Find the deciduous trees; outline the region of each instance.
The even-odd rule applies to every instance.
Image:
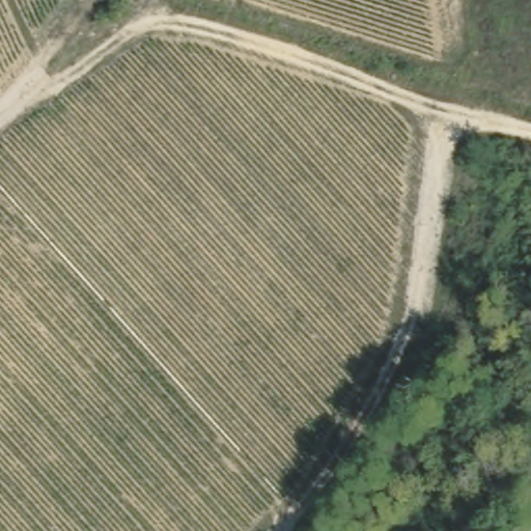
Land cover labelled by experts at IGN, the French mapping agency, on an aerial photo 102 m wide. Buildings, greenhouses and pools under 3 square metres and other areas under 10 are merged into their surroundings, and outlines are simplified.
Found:
[[[531,531],[531,477],[525,475],[523,479],[519,479],[514,473],[496,475],[487,473],[485,469],[479,469],[479,492],[475,496],[467,496],[456,477],[458,471],[465,471],[465,467],[473,463],[473,458],[477,456],[475,444],[483,434],[504,429],[506,425],[531,423],[531,328],[519,332],[516,338],[510,338],[519,346],[519,353],[510,359],[492,361],[483,367],[477,348],[481,344],[490,346],[492,338],[496,336],[492,326],[483,326],[479,319],[479,297],[485,290],[506,286],[506,290],[514,295],[519,309],[531,311],[531,139],[521,139],[504,133],[479,133],[475,129],[465,129],[454,139],[450,166],[452,180],[448,195],[442,201],[444,230],[436,263],[434,303],[429,311],[415,311],[404,322],[404,324],[404,332],[411,334],[411,340],[404,348],[400,363],[409,369],[407,373],[411,380],[400,384],[400,388],[390,396],[386,419],[373,425],[365,425],[363,434],[357,434],[357,450],[361,454],[355,456],[344,469],[334,496],[328,494],[319,500],[317,516],[309,531]]]

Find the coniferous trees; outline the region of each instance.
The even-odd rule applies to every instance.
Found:
[[[492,338],[490,346],[481,344],[477,348],[483,367],[492,361],[510,359],[519,353],[519,346],[510,338],[516,338],[519,332],[531,328],[531,311],[519,309],[514,295],[506,290],[506,286],[485,290],[479,297],[479,319],[483,326],[492,326],[496,336]]]
[[[475,496],[479,492],[479,469],[485,469],[487,473],[496,475],[514,473],[519,479],[523,479],[525,475],[531,477],[531,423],[506,425],[504,429],[483,434],[475,444],[477,456],[473,458],[473,463],[465,467],[465,471],[458,471],[456,477],[467,496]]]

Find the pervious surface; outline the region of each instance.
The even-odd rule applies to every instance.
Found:
[[[427,137],[423,156],[423,178],[415,216],[413,261],[409,270],[407,305],[402,311],[404,322],[415,311],[429,311],[434,303],[436,263],[444,230],[442,201],[448,195],[452,180],[450,166],[454,139],[465,129],[475,129],[479,133],[504,133],[521,139],[531,139],[531,122],[492,110],[477,110],[450,102],[431,100],[415,91],[402,89],[380,77],[332,60],[328,56],[303,50],[295,44],[286,44],[268,35],[251,33],[201,17],[176,15],[164,6],[158,10],[147,10],[145,15],[137,17],[120,29],[116,29],[110,37],[106,37],[100,46],[95,46],[75,64],[56,75],[48,75],[46,66],[50,58],[64,46],[64,41],[58,37],[52,39],[46,41],[46,46],[37,52],[31,52],[29,48],[23,50],[15,62],[6,64],[0,71],[0,120],[4,124],[10,124],[17,116],[37,106],[41,100],[60,93],[71,83],[83,79],[97,62],[102,62],[108,54],[116,52],[129,39],[139,37],[145,31],[166,29],[201,37],[214,37],[247,50],[255,50],[272,58],[280,58],[290,64],[334,77],[353,87],[365,89],[371,93],[373,102],[396,102],[413,110],[415,114],[436,116],[436,120],[425,129]]]
[[[404,348],[411,340],[411,334],[404,332],[404,324],[392,324],[386,330],[386,338],[382,344],[367,344],[363,346],[361,355],[348,357],[346,371],[351,373],[351,382],[340,382],[340,386],[330,396],[330,404],[334,409],[338,409],[342,415],[353,417],[348,425],[334,423],[328,415],[319,415],[309,423],[309,427],[297,429],[297,452],[290,469],[286,469],[280,479],[280,496],[284,498],[280,510],[282,516],[276,525],[263,525],[257,531],[309,531],[317,516],[319,500],[328,494],[334,496],[344,469],[355,456],[361,454],[357,450],[357,434],[363,434],[365,425],[373,425],[386,419],[390,396],[400,388],[400,384],[411,380],[407,373],[409,369],[400,363]]]

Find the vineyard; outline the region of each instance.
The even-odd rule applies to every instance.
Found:
[[[427,27],[427,0],[243,0],[249,6],[270,10],[280,17],[290,17],[303,23],[324,27],[334,33],[342,33],[348,37],[363,39],[367,44],[394,50],[404,56],[419,58],[429,62],[442,60],[442,52],[434,48],[431,31]]]
[[[31,52],[37,52],[46,46],[46,41],[52,39],[48,35],[50,31],[44,29],[39,23],[44,23],[46,15],[56,6],[58,0],[0,0],[0,71],[6,64],[15,62],[23,50],[29,48]]]
[[[353,417],[342,415],[338,409],[334,409],[330,404],[330,396],[340,386],[340,382],[351,382],[351,373],[346,371],[348,357],[361,355],[363,346],[367,344],[382,344],[386,338],[386,330],[392,324],[404,324],[404,322],[402,311],[407,305],[409,270],[413,261],[415,216],[423,178],[423,156],[427,137],[425,129],[436,120],[436,116],[415,114],[413,110],[396,102],[373,102],[371,93],[365,89],[353,87],[334,77],[290,64],[280,58],[272,58],[255,50],[247,50],[214,37],[201,37],[166,29],[145,31],[139,37],[129,39],[116,52],[108,54],[102,62],[97,62],[83,79],[71,83],[60,93],[41,100],[37,106],[17,116],[10,124],[4,124],[0,120],[0,531],[257,531],[263,525],[276,525],[282,516],[280,510],[284,498],[280,496],[280,479],[286,469],[290,469],[297,452],[297,429],[309,427],[309,423],[319,415],[328,415],[334,423],[348,425]]]

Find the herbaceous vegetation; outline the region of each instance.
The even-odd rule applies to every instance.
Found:
[[[137,17],[145,15],[147,10],[158,10],[164,6],[160,0],[127,0],[129,8]]]
[[[52,39],[58,37],[64,41],[64,46],[50,58],[46,66],[48,75],[56,75],[75,64],[95,46],[100,46],[106,37],[93,27],[91,21],[97,21],[100,15],[108,12],[116,0],[58,0],[56,6],[46,15],[44,23],[39,23],[44,29],[50,31],[48,35]]]
[[[429,62],[419,58],[415,62],[421,68],[419,77],[402,77],[394,68],[386,68],[380,77],[402,89],[415,91],[431,100],[450,102],[477,110],[492,110],[531,122],[531,0],[427,0],[427,27],[431,31],[434,48],[442,52],[442,60]]]

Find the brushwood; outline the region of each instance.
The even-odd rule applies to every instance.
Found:
[[[91,21],[93,27],[106,37],[110,37],[116,29],[120,29],[137,17],[129,8],[127,0],[116,0],[108,12],[100,15],[97,21]]]
[[[421,68],[415,62],[419,58],[404,56],[394,50],[367,44],[363,39],[348,37],[342,33],[334,33],[324,27],[303,23],[290,17],[280,17],[270,10],[249,6],[243,0],[160,0],[164,6],[176,15],[201,17],[251,33],[268,35],[286,44],[295,44],[303,50],[328,56],[332,60],[380,77],[386,68],[394,68],[402,77],[419,77]]]

